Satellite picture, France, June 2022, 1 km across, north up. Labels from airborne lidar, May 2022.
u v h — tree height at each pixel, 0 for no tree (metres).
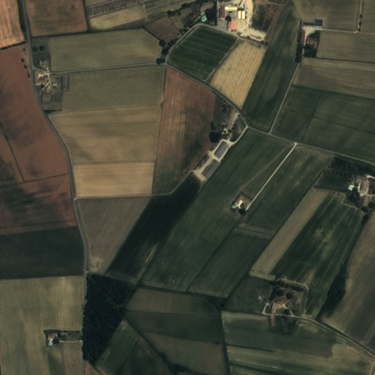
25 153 0
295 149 0
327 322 0
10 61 0
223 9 0
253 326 0
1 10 0
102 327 19
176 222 0
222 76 0
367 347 0
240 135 0
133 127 0
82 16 0
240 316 0
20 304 0
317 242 0
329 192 0
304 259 0
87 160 0
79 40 0
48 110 6
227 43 0
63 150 0
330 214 0
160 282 0
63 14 0
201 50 0
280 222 0
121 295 19
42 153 0
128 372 0
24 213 0
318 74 0
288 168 0
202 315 0
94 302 19
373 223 0
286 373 0
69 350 0
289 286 12
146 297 0
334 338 0
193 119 0
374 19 0
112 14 0
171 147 0
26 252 0
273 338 0
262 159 0
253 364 0
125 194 0
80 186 0
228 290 0
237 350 0
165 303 0
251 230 0
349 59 0
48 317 0
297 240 0
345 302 0
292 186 0
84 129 0
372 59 0
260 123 0
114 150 0
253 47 0
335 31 0
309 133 0
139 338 0
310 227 0
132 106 0
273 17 0
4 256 0
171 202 0
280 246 0
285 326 0
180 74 0
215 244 0
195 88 0
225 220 0
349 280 0
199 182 0
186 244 0
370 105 0
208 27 0
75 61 0
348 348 0
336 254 0
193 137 0
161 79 0
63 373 0
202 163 0
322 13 0
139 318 0
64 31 0
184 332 0
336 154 7
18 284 0
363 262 0
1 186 0
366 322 0
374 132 0
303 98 0
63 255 0
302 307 0
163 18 0
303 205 0
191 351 0
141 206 0
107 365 0
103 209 0
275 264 0
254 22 0
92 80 0
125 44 0
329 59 0
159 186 0
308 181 0
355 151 0
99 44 0
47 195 0
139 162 0
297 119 0
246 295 0
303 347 0
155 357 0
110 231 0
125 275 0
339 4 0
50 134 0
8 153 0
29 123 0
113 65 0
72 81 0
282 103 0
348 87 0
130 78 0
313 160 0
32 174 0
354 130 0
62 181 0
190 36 0
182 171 0
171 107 0
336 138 0
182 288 0
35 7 0
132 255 0
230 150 9
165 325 0
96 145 0
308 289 0
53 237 0
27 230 0
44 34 0
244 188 0
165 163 0
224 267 0
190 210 0
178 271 0
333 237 0
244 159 0
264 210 0
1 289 0
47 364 0
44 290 0
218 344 6
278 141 0
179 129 0
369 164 6
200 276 0
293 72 0
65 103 0
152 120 0
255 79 0
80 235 0
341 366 0
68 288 0
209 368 0
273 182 0
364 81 0
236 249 0
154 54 0
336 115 0
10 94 0
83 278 0
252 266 0
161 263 0
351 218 0
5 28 0
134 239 0
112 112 0
